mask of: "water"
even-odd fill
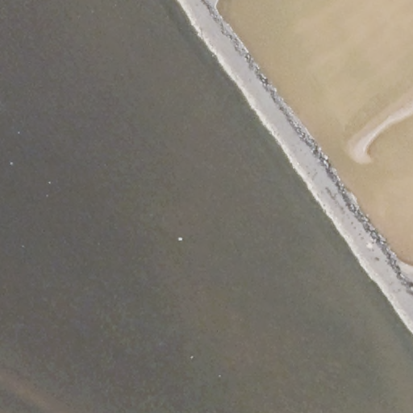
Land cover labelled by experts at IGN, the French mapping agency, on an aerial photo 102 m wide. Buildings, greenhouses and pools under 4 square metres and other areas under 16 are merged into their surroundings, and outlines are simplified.
[[[398,260],[403,261],[405,265],[413,266],[413,115],[390,124],[379,136],[374,137],[373,142],[366,148],[368,163],[353,160],[348,153],[348,142],[366,124],[387,110],[389,105],[413,89],[413,0],[219,0],[219,15],[223,16],[226,23],[231,24],[234,32],[247,45],[248,55],[252,56],[260,69],[268,71],[269,84],[277,87],[279,95],[286,100],[287,105],[292,106],[295,115],[310,129],[313,139],[318,144],[318,150],[323,148],[327,160],[332,163],[332,171],[339,177],[340,184],[347,187],[348,197],[353,205],[371,218],[381,239],[389,240],[387,247],[390,253],[395,253]]]
[[[378,284],[366,274],[365,269],[361,268],[344,237],[340,236],[331,219],[327,218],[294,166],[290,165],[281,145],[277,144],[268,129],[261,124],[260,118],[248,105],[236,82],[227,76],[216,56],[198,37],[177,0],[0,0],[0,413],[413,413],[413,334],[395,313],[394,307],[390,305],[386,295],[382,294]]]

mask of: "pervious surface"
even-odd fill
[[[387,265],[386,255],[382,253],[381,248],[371,239],[365,227],[358,223],[353,213],[348,211],[336,184],[327,177],[326,169],[319,166],[319,160],[313,155],[313,150],[295,136],[286,118],[271,100],[271,95],[266,92],[263,82],[258,79],[257,74],[248,69],[244,56],[234,52],[231,40],[221,35],[219,27],[208,15],[200,0],[177,0],[198,37],[216,56],[227,76],[236,82],[248,105],[260,118],[261,124],[268,129],[277,144],[281,145],[290,165],[294,166],[327,218],[331,219],[340,236],[344,237],[361,268],[365,269],[366,274],[378,284],[382,294],[386,295],[390,305],[394,307],[395,313],[413,334],[413,298],[407,294],[407,287],[398,282],[394,269]]]
[[[374,137],[379,136],[390,124],[413,115],[413,89],[389,105],[387,110],[366,124],[348,142],[348,153],[353,160],[368,163],[366,148],[373,142]]]

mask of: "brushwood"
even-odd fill
[[[295,115],[292,106],[287,105],[286,100],[279,95],[277,87],[269,84],[268,71],[260,69],[252,56],[248,55],[247,45],[234,32],[231,24],[226,23],[223,16],[219,15],[219,0],[200,0],[208,15],[219,27],[221,35],[231,40],[234,52],[244,56],[248,69],[257,74],[258,79],[263,82],[266,92],[271,95],[271,100],[286,118],[295,136],[313,150],[313,155],[319,160],[319,166],[326,169],[327,177],[336,184],[348,211],[353,213],[358,223],[365,227],[371,239],[381,248],[382,253],[386,255],[387,265],[394,269],[398,282],[407,287],[407,294],[413,298],[413,266],[405,265],[403,261],[398,260],[395,253],[390,253],[387,247],[389,240],[381,239],[371,218],[353,205],[348,197],[347,187],[340,184],[339,177],[332,171],[332,163],[327,160],[323,148],[318,150],[318,144],[313,139],[310,129]]]

